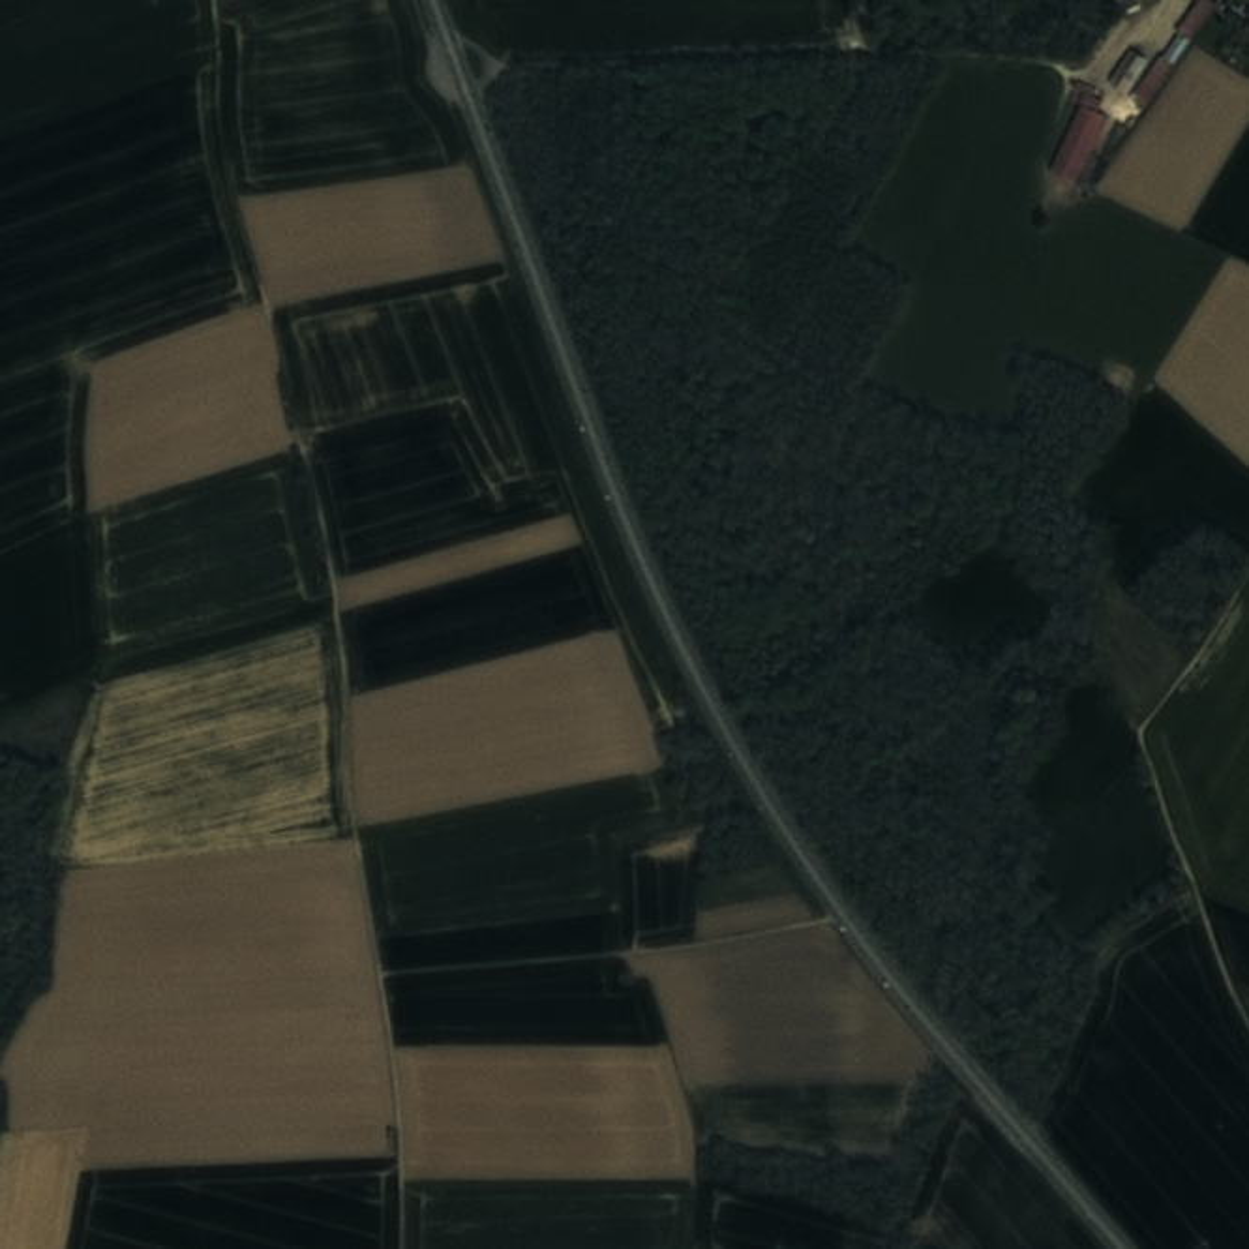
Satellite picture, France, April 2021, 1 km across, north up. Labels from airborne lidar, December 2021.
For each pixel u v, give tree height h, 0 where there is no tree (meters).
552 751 0
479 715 0
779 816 0
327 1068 0
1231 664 0
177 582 0
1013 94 0
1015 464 22
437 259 0
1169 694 0
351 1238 0
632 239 20
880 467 22
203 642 0
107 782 0
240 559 0
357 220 0
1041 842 24
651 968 0
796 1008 0
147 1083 0
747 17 0
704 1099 0
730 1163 11
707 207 23
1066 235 0
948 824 10
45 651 0
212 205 0
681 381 14
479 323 0
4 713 0
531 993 0
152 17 0
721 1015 0
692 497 23
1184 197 0
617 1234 0
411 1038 0
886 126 21
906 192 0
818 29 0
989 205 0
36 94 0
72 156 0
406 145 0
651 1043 0
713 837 6
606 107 18
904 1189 24
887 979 0
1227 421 0
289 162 0
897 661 28
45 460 0
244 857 0
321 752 0
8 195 0
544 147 15
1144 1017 0
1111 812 0
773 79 27
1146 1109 0
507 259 0
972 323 0
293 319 0
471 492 0
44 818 23
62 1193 0
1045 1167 0
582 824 0
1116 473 0
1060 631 20
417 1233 0
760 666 16
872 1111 0
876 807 25
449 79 0
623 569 0
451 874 0
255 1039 0
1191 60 0
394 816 0
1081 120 0
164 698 0
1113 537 17
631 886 0
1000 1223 0
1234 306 0
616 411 17
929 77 17
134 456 0
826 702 29
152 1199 0
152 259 0
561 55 0
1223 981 0
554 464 0
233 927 0
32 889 21
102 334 0
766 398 20
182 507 0
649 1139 0
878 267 20
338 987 0
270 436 0
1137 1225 0
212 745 0
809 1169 14
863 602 12
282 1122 0
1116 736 0
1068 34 22
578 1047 0
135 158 0
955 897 29
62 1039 0
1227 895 0
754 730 20
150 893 0
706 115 19
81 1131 0
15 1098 0
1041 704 28
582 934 0
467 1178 0
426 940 0
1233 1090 0
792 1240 0
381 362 0
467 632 0
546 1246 0
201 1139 0
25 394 0
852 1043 0
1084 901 0
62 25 0
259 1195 0
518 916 0
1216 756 0
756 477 27
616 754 0
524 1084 0
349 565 0
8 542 0
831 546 25
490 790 0
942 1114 20
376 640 0
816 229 21
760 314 20
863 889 21
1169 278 0
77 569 0
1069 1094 0
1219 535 31
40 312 0
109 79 0
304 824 0
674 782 15
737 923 0
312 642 0
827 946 0
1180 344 0
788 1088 0
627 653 0
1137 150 0
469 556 0
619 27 0
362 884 0
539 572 0
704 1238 0
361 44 0
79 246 0
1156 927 0
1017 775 20
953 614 0
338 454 0
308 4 0
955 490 25
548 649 0
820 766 30
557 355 0
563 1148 0
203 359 0
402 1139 0
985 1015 22
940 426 29
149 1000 0
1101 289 0
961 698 24
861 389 15
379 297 0
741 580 19
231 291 0
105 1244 0
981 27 23
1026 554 22
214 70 0
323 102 0
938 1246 0
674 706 0
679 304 22
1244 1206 0
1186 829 0
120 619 0
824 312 21
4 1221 0
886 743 25
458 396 0
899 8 19
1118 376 0
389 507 0
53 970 15
